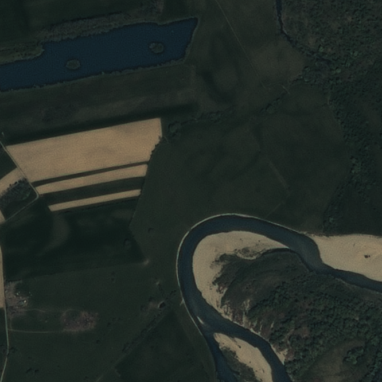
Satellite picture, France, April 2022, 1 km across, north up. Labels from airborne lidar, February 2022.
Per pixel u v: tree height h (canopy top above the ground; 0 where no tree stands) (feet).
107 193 0
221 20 0
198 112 0
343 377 0
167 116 0
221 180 0
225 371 0
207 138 0
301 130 0
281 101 29
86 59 0
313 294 52
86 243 0
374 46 0
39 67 0
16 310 0
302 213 0
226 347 0
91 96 0
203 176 0
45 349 0
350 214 0
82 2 0
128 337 0
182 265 0
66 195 0
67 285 0
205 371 0
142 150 0
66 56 0
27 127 0
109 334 0
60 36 50
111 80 0
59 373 0
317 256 0
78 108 0
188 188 0
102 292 0
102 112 0
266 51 0
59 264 0
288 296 48
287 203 0
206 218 0
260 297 0
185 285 0
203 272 0
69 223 0
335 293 0
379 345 58
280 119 0
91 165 0
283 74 0
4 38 0
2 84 0
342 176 0
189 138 0
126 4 0
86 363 0
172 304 36
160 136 0
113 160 0
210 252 0
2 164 0
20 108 0
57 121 0
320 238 0
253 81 0
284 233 0
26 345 0
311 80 56
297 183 0
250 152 0
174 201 0
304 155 0
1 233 0
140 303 0
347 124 21
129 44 0
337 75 41
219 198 0
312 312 36
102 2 0
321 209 0
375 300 0
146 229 0
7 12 0
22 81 0
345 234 0
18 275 0
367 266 0
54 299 0
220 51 0
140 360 0
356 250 0
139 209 0
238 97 0
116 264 0
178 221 0
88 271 0
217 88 0
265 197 0
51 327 0
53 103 0
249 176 0
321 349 58
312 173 0
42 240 0
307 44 0
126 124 0
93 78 0
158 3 56
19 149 0
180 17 0
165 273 0
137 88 0
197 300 0
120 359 0
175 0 0
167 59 0
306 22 0
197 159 0
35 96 0
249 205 0
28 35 0
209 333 0
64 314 0
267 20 0
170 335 0
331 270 0
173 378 0
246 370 0
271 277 0
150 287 0
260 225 0
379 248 0
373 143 0
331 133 0
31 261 0
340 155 0
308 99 0
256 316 42
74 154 0
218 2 0
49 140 0
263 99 0
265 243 0
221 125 0
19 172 0
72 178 0
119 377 0
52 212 0
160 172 0
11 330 0
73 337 0
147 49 0
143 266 0
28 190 56
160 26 0
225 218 0
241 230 0
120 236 0
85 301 0
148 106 0
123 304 0
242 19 0
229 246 0
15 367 0
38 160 0
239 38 0
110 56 0
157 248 0
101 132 0
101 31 52
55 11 0
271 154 0
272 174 0
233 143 0
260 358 0
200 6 0
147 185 0
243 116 0
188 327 0
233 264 0
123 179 0
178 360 0
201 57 0
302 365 64
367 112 0
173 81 0
